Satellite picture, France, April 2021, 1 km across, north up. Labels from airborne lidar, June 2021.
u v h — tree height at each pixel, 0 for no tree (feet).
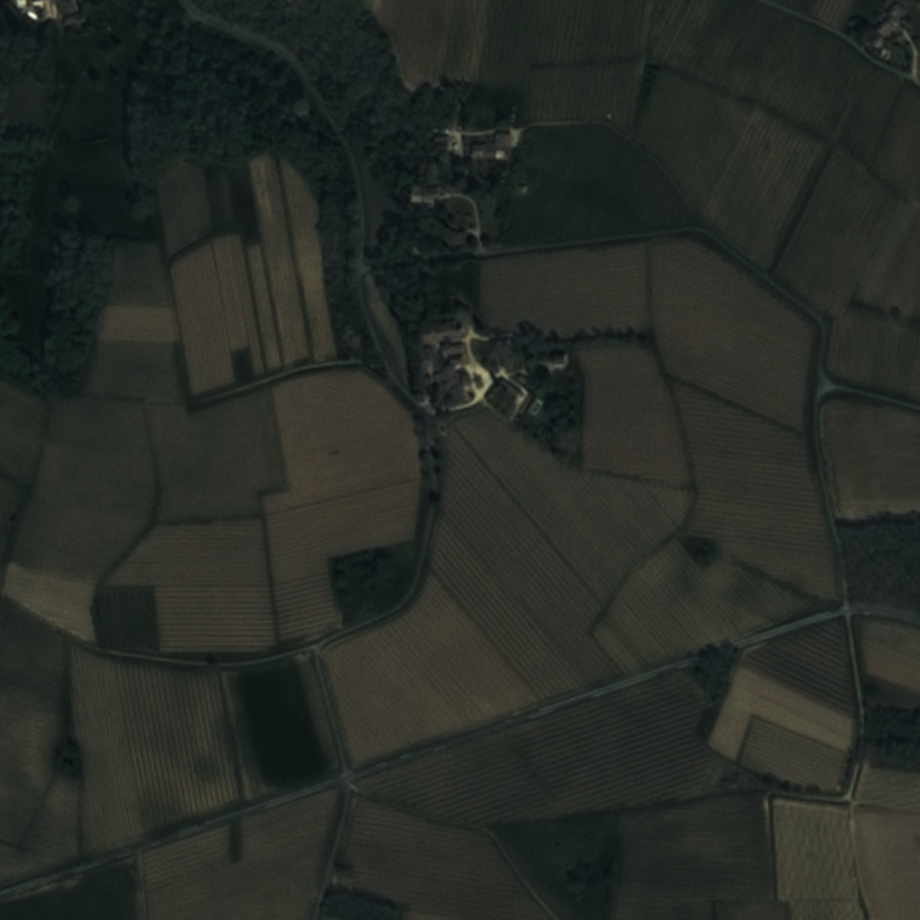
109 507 0
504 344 73
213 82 87
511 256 0
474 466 0
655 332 0
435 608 0
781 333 0
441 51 0
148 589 0
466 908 0
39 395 51
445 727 0
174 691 0
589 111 0
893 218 0
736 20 0
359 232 73
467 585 0
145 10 88
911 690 0
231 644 0
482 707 0
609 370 0
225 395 0
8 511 0
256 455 0
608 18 0
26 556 0
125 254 0
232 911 0
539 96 0
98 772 0
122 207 0
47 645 0
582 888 57
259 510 0
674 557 0
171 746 0
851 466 0
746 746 0
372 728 0
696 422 0
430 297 50
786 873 0
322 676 0
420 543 0
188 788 0
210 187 0
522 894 0
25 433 0
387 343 0
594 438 0
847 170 0
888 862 0
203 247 0
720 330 0
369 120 50
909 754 61
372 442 0
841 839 0
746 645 0
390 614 0
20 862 0
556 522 0
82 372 24
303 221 0
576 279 0
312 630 0
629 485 0
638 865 0
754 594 0
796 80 0
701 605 0
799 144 0
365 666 0
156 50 61
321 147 52
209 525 0
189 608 0
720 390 0
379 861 0
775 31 0
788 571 0
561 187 0
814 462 0
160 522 0
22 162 66
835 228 0
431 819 0
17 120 0
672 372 0
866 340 0
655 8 0
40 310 0
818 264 0
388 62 62
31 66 54
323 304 0
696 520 0
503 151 0
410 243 52
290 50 61
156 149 73
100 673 0
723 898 0
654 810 0
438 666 0
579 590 0
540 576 0
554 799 0
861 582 41
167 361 0
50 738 0
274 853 0
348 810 0
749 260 0
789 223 0
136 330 0
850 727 0
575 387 34
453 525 0
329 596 0
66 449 0
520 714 0
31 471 0
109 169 0
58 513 0
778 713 0
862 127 0
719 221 0
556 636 0
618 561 0
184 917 0
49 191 0
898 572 48
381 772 0
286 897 0
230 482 0
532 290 0
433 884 0
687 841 0
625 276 0
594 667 0
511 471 0
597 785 0
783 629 0
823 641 0
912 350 0
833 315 0
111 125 0
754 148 0
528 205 0
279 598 0
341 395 0
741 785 0
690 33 0
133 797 0
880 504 0
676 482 0
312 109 106
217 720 0
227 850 0
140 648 0
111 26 41
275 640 0
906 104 0
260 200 0
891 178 0
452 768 0
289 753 0
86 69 0
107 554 0
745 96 0
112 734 0
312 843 0
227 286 0
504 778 0
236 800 0
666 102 0
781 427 0
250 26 51
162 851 0
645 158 0
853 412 0
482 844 0
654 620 0
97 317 28
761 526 0
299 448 0
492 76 0
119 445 0
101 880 0
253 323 0
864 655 0
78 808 0
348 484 0
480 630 0
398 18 0
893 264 0
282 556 0
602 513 0
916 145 0
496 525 0
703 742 0
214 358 0
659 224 0
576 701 0
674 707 0
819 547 0
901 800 0
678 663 0
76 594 0
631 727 0
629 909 0
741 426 0
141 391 0
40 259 0
